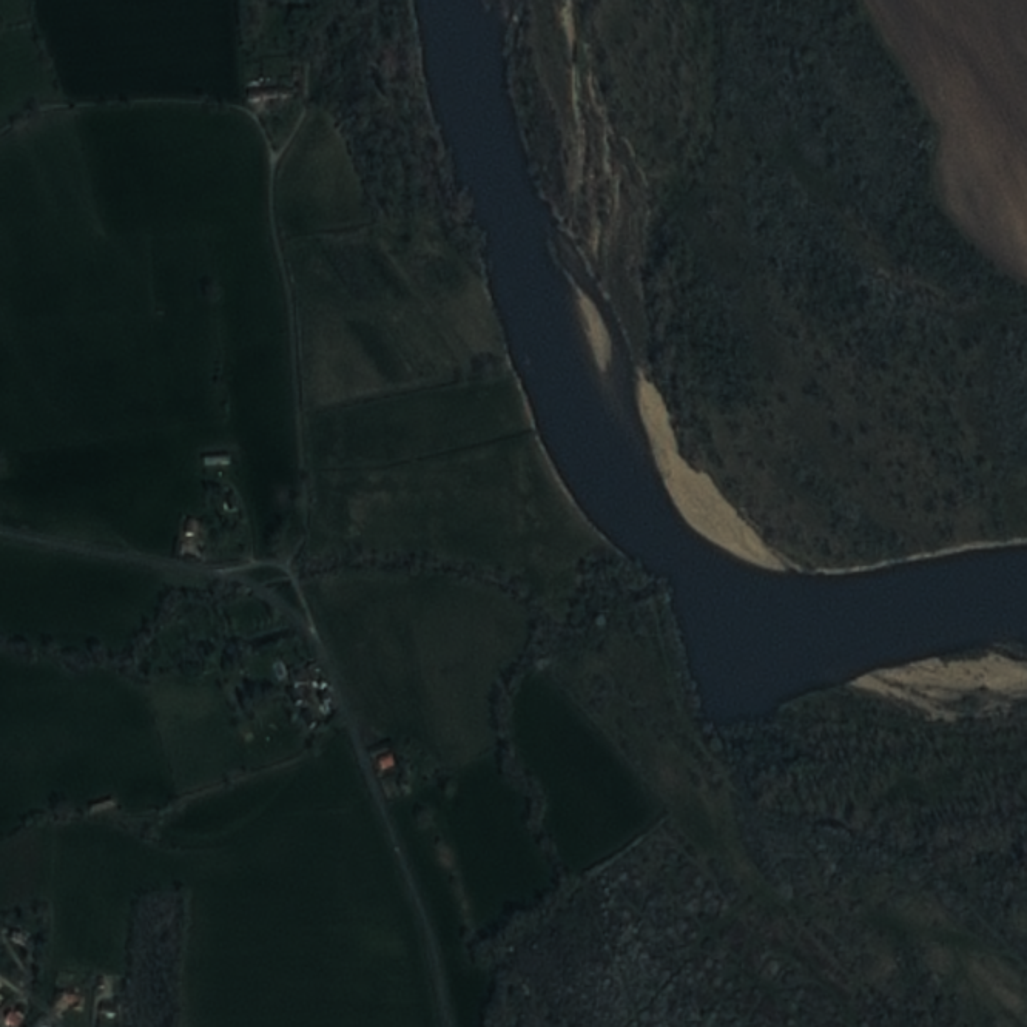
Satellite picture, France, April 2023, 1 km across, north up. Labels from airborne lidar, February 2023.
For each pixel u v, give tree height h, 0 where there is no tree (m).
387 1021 0
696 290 10
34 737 0
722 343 12
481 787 0
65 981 0
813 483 6
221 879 0
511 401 0
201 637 13
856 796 21
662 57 0
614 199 0
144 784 0
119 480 0
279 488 0
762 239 8
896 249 13
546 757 0
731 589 0
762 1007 0
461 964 0
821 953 0
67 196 0
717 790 0
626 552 0
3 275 0
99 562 0
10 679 0
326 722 7
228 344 0
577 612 15
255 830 0
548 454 0
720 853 0
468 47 0
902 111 13
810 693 0
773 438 12
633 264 0
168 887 0
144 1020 19
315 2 10
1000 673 0
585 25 14
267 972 0
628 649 0
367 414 0
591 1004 6
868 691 0
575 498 0
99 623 0
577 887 21
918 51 0
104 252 0
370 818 0
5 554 0
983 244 0
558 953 9
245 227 0
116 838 0
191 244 0
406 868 0
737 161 0
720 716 0
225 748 0
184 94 0
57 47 0
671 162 0
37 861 0
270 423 0
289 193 0
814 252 6
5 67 0
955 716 0
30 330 0
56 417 0
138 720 0
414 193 17
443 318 0
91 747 0
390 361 0
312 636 0
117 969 0
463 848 0
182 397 0
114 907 0
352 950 0
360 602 0
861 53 8
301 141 0
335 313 0
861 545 7
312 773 0
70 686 0
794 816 8
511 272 0
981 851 27
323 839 0
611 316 0
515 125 0
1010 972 0
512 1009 12
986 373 0
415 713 0
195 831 0
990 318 0
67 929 0
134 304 0
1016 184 0
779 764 5
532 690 0
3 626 0
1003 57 0
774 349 0
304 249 0
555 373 0
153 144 0
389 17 9
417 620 0
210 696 0
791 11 11
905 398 8
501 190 0
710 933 0
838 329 10
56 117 0
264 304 0
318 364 0
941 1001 7
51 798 0
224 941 0
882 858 7
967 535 0
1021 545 0
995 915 13
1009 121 0
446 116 0
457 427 0
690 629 0
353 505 0
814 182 0
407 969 0
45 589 0
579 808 0
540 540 0
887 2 0
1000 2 0
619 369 0
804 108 7
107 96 0
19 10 0
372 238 9
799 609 0
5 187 0
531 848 0
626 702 0
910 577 0
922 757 18
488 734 0
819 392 13
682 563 0
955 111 0
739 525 0
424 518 0
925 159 13
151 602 0
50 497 0
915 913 0
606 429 0
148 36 0
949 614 0
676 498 0
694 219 0
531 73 12
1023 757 7
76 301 0
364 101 6
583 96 0
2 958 15
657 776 0
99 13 0
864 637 0
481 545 0
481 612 0
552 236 0
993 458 0
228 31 0
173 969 21
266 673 0
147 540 0
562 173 14
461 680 0
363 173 6
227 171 0
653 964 6
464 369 0
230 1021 0
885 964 0
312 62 12
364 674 0
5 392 0
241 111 0
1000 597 0
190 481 0
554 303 0
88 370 0
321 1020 0
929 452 6
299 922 0
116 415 0
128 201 0
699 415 23
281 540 18
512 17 0
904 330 9
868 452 0
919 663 0
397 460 0
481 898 0
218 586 10
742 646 0
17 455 0
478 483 0
